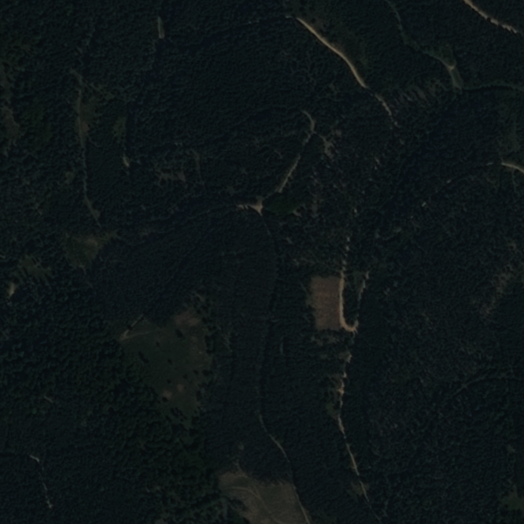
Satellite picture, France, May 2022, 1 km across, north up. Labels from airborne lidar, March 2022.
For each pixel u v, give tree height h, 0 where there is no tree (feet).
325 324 0
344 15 31
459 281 83
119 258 83
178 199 52
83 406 71
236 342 74
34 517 89
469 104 32
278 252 94
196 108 96
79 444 76
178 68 109
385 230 110
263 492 0
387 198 65
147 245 75
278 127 93
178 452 81
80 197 50
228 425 95
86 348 90
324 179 101
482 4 73
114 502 66
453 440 95
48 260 54
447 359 89
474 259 84
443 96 94
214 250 87
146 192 55
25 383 96
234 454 100
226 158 33
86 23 117
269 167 29
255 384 92
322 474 86
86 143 25
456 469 83
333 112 22
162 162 108
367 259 109
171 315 82
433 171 107
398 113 94
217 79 89
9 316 111
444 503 77
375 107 107
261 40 110
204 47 101
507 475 37
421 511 86
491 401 40
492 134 98
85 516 85
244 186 37
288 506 0
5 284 77
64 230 90
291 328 73
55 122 100
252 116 21
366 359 56
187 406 0
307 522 0
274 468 83
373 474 44
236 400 90
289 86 101
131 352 0
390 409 111
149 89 101
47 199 31
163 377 0
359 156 97
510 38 73
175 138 96
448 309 95
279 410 72
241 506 62
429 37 75
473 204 96
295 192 35
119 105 37
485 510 88
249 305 91
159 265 86
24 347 29
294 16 0
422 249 107
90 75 119
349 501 77
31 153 90
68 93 99
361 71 22
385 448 107
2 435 67
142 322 0
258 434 87
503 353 42
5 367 123
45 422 58
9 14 88
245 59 97
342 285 0
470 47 83
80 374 75
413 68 51
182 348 0
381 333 47
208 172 30
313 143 31
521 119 22
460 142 92
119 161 51
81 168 47
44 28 115
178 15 117
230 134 94
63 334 96
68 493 88
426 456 100
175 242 73
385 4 84
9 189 65
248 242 86
